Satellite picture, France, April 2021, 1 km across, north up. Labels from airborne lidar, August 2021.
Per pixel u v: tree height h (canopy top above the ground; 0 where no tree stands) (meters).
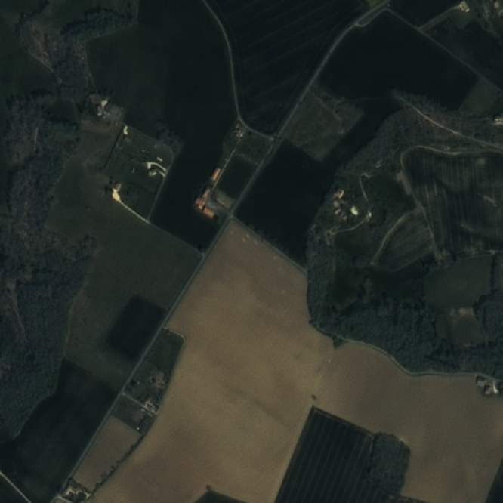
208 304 0
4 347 8
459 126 11
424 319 17
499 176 0
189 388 0
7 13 0
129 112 0
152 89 0
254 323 0
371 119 0
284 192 0
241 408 0
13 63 0
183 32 0
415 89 0
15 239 16
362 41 0
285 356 0
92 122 0
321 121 0
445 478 0
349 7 0
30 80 0
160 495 0
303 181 0
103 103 0
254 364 0
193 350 0
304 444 0
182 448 0
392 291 0
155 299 0
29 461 0
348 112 14
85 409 0
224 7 0
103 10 20
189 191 0
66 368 0
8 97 0
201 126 0
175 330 0
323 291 16
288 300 0
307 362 0
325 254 18
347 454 0
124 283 0
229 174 0
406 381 0
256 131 0
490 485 0
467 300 0
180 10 0
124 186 0
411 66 0
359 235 0
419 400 0
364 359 0
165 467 0
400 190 0
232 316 0
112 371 0
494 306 23
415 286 0
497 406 0
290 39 0
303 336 0
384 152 19
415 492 0
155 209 0
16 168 0
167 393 0
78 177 0
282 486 0
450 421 0
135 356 0
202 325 0
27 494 0
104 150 0
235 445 0
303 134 0
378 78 0
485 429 0
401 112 16
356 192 11
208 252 0
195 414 0
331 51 0
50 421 0
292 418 0
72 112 0
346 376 0
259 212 0
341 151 0
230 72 0
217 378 0
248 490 0
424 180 0
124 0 0
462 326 0
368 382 0
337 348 0
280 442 0
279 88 0
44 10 18
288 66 0
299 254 0
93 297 0
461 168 0
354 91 0
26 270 9
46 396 12
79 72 19
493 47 0
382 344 21
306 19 0
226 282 0
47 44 14
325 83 0
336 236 0
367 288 0
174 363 0
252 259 0
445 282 0
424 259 0
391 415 0
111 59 0
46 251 8
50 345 13
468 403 0
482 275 0
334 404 0
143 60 0
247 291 0
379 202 12
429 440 0
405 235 0
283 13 0
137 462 0
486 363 26
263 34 0
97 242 12
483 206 0
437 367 21
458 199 0
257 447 0
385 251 0
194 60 0
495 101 0
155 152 0
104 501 0
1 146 0
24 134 12
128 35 0
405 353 23
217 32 0
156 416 0
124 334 0
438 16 0
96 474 0
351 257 0
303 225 0
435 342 17
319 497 0
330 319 20
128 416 0
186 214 0
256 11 0
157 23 0
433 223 0
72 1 0
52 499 0
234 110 0
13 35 0
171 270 0
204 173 0
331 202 14
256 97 0
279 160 0
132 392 13
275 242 13
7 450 0
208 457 0
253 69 0
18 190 17
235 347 0
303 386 0
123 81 0
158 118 0
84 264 18
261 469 0
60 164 14
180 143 13
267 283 0
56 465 0
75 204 0
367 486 0
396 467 17
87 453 0
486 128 20
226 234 0
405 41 0
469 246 0
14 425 14
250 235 0
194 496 0
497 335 21
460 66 0
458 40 0
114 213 0
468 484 0
